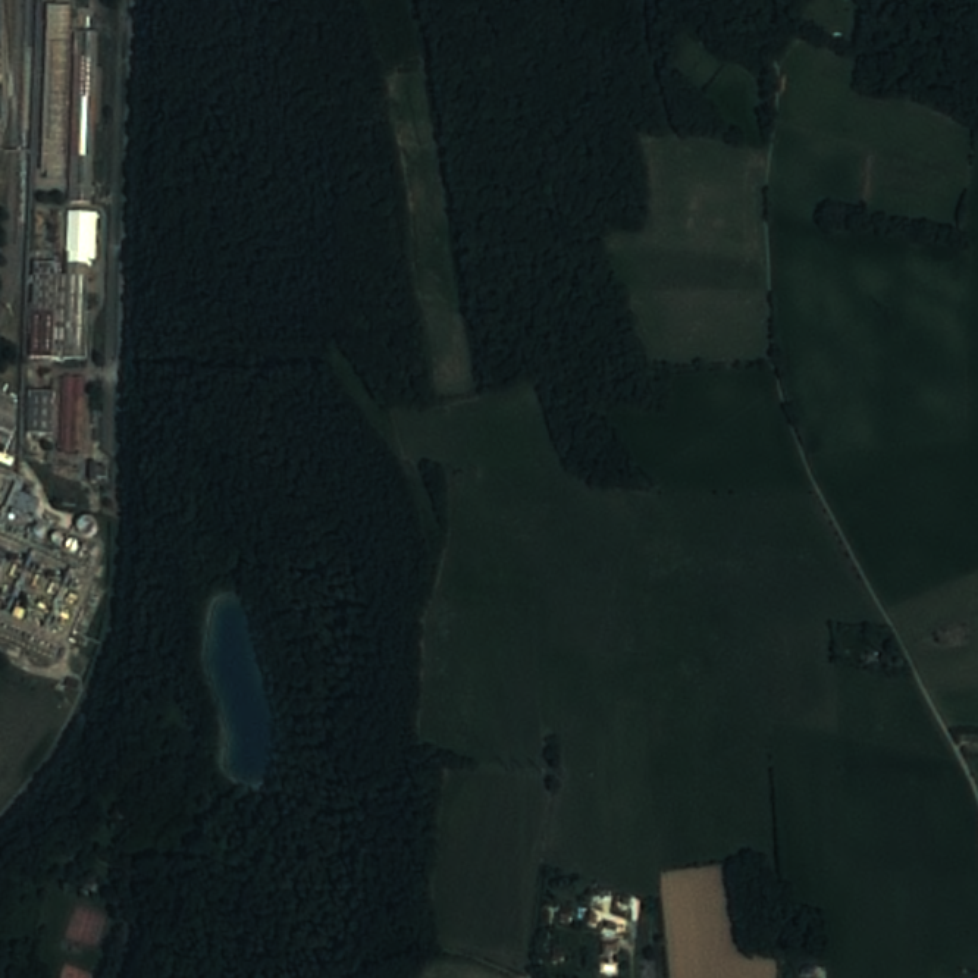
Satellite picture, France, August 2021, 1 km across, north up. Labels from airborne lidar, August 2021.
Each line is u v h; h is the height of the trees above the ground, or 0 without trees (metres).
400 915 29
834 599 0
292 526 25
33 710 0
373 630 18
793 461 0
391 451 13
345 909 24
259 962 19
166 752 10
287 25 19
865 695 0
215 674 0
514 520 0
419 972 16
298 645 18
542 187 21
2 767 0
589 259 19
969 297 0
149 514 22
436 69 20
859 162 0
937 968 0
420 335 19
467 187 17
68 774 20
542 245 19
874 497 0
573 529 0
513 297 23
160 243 20
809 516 0
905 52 20
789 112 0
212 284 23
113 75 0
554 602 0
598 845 0
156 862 25
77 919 0
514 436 0
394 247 20
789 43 12
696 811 0
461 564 0
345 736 23
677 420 0
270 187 18
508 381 18
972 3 19
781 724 0
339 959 26
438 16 19
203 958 23
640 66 22
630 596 0
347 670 20
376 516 14
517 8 20
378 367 21
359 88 23
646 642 0
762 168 0
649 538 0
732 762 0
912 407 0
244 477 24
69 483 0
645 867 0
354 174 11
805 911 18
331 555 26
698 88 12
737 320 0
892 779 0
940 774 0
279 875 19
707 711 0
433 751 15
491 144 17
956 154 0
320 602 25
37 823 16
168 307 16
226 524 23
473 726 0
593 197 18
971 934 0
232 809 20
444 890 0
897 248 0
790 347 0
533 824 0
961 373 0
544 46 17
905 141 0
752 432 0
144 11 17
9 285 0
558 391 19
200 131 17
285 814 25
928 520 0
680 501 0
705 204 0
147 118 21
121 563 19
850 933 0
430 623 0
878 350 0
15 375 0
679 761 0
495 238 20
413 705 13
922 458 0
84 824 12
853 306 0
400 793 24
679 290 0
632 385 22
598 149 23
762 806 0
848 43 14
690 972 0
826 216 16
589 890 7
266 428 28
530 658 0
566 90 20
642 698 0
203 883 19
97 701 18
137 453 18
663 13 20
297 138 14
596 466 14
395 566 13
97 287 0
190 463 23
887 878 0
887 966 0
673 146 0
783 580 0
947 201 0
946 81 20
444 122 17
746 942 21
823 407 0
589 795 0
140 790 15
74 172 0
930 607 0
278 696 16
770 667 0
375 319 21
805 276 0
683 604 0
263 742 0
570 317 21
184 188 20
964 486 0
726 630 0
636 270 0
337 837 27
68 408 0
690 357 0
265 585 23
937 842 0
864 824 0
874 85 10
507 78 21
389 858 20
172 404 20
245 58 9
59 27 0
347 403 16
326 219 16
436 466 15
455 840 0
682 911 0
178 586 19
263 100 17
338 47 17
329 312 17
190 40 9
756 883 21
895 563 0
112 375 0
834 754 0
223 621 0
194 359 9
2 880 15
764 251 0
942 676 0
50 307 0
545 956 8
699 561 0
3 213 17
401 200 21
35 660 0
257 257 15
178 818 8
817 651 0
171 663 22
